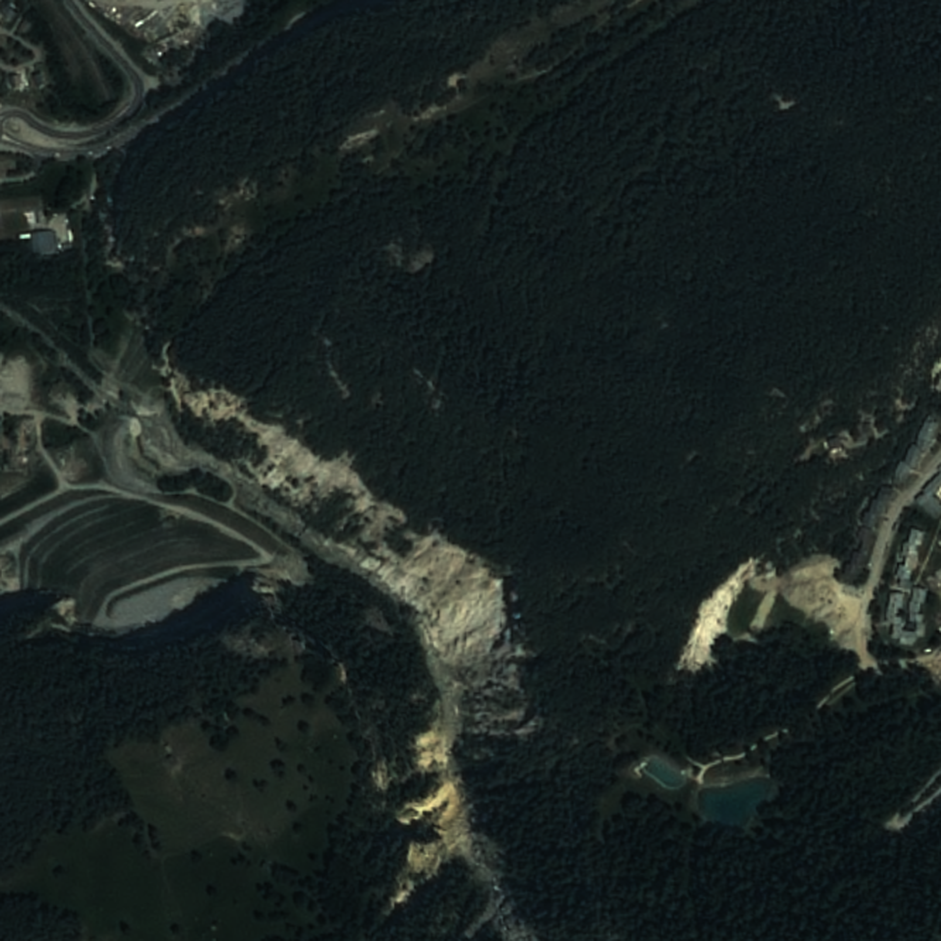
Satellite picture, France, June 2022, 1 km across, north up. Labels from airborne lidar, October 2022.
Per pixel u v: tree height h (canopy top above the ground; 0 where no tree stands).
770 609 0
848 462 6
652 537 8
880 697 26
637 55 14
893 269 11
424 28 9
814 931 9
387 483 13
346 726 18
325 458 7
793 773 24
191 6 0
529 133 12
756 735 15
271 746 0
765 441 7
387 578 0
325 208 6
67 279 13
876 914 22
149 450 0
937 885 11
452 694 0
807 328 11
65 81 16
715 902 30
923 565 0
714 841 26
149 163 13
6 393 0
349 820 17
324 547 0
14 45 7
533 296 17
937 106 11
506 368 22
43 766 17
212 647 11
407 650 14
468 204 19
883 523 0
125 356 0
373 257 10
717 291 11
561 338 10
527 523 17
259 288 14
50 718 16
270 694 0
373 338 14
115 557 0
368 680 24
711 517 7
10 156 7
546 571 9
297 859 0
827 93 9
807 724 18
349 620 25
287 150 11
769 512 17
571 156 17
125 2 0
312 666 13
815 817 19
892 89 9
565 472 14
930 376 7
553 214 14
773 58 12
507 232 15
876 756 29
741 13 15
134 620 0
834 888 23
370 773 14
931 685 29
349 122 11
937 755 11
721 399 7
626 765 17
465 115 0
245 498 0
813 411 8
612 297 12
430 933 11
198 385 6
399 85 8
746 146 11
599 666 15
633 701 23
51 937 14
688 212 10
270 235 11
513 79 10
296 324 10
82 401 12
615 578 15
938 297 8
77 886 0
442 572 0
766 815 20
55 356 12
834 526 14
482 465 17
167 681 16
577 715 12
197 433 13
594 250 12
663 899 27
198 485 14
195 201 9
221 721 11
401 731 11
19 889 0
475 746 9
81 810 19
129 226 7
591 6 0
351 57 13
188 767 0
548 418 16
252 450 7
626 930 15
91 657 19
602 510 12
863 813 29
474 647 0
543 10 14
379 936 31
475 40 9
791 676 19
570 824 14
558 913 23
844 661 28
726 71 16
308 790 8
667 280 9
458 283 22
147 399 0
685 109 15
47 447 8
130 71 0
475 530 21
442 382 11
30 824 16
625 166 12
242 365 16
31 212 0
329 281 8
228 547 0
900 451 13
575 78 16
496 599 0
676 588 12
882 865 20
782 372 10
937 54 18
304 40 11
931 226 9
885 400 9
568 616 18
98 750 19
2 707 18
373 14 10
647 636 20
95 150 0
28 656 20
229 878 0
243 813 0
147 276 10
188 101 0
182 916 0
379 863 21
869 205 12
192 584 0
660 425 8
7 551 0
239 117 17
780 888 26
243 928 0
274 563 0
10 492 0
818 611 0
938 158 6
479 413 12
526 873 11
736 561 9
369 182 12
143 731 22
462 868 19
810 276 9
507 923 0
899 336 9
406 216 15
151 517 0
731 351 13
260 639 7
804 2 22
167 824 0
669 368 11
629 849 23
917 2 22
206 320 15
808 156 12
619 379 11
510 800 22
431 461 12
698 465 11
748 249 13
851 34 19
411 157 7
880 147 9
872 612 9
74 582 0
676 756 15
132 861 0
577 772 22
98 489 0
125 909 0
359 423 13
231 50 9
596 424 18
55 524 0
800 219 10
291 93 17
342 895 23
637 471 8
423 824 8
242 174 10
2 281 8
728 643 26
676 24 13
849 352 12
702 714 28
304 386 8
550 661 12
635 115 16
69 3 0
